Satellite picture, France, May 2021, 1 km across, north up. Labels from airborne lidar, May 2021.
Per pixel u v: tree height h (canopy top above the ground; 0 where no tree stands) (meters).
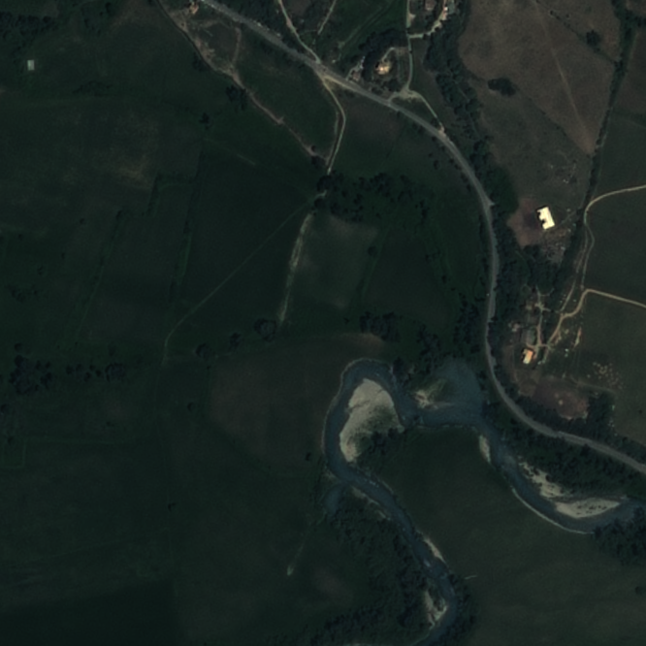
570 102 0
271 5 8
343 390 0
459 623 15
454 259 0
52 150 0
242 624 0
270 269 0
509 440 9
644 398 0
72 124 0
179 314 0
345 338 0
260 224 0
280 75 0
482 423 0
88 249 0
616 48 0
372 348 0
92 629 0
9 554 0
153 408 0
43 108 0
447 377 0
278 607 0
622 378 0
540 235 0
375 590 8
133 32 0
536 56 0
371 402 0
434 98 0
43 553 0
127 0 0
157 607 0
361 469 7
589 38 12
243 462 0
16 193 0
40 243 0
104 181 0
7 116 0
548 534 0
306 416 0
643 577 0
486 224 10
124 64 0
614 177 0
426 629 17
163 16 0
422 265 0
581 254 0
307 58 0
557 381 0
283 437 0
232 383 0
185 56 0
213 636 0
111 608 0
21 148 0
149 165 0
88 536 0
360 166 0
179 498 0
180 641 0
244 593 0
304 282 0
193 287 0
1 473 0
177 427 0
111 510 0
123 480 0
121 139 0
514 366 0
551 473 13
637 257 0
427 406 0
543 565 0
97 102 0
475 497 0
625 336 0
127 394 0
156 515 0
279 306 0
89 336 0
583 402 0
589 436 13
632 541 17
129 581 0
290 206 0
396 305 0
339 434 0
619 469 19
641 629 0
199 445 0
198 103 0
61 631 0
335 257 0
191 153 0
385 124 0
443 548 0
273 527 0
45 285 0
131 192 0
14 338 0
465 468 0
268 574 0
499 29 0
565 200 0
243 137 0
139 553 0
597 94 0
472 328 32
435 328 0
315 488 8
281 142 0
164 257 0
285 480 0
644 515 27
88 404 0
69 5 6
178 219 0
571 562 0
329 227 0
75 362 0
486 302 13
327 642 18
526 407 16
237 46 0
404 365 30
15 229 0
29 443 0
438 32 11
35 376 28
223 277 0
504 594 0
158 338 0
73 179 0
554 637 0
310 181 0
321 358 0
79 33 0
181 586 0
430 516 0
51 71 0
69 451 0
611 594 0
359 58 10
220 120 0
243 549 0
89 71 0
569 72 0
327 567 0
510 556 0
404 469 0
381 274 0
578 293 0
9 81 0
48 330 0
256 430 0
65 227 0
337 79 0
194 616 0
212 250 0
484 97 0
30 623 0
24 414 0
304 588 0
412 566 19
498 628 0
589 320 0
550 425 10
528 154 0
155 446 0
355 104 0
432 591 10
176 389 0
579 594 0
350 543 6
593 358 0
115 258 0
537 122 0
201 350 16
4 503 0
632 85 0
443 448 0
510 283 13
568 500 0
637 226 0
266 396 0
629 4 0
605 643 0
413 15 0
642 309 0
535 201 0
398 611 7
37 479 0
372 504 6
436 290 0
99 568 0
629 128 0
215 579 0
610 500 0
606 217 0
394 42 21
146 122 0
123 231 0
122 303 0
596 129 0
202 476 0
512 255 11
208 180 0
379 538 7
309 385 0
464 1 6
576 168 0
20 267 0
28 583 0
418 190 8
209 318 0
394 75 11
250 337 0
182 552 0
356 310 0
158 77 0
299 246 0
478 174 9
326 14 7
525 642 0
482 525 0
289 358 0
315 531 6
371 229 0
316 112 0
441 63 11
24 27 24
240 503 0
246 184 0
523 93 0
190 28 0
